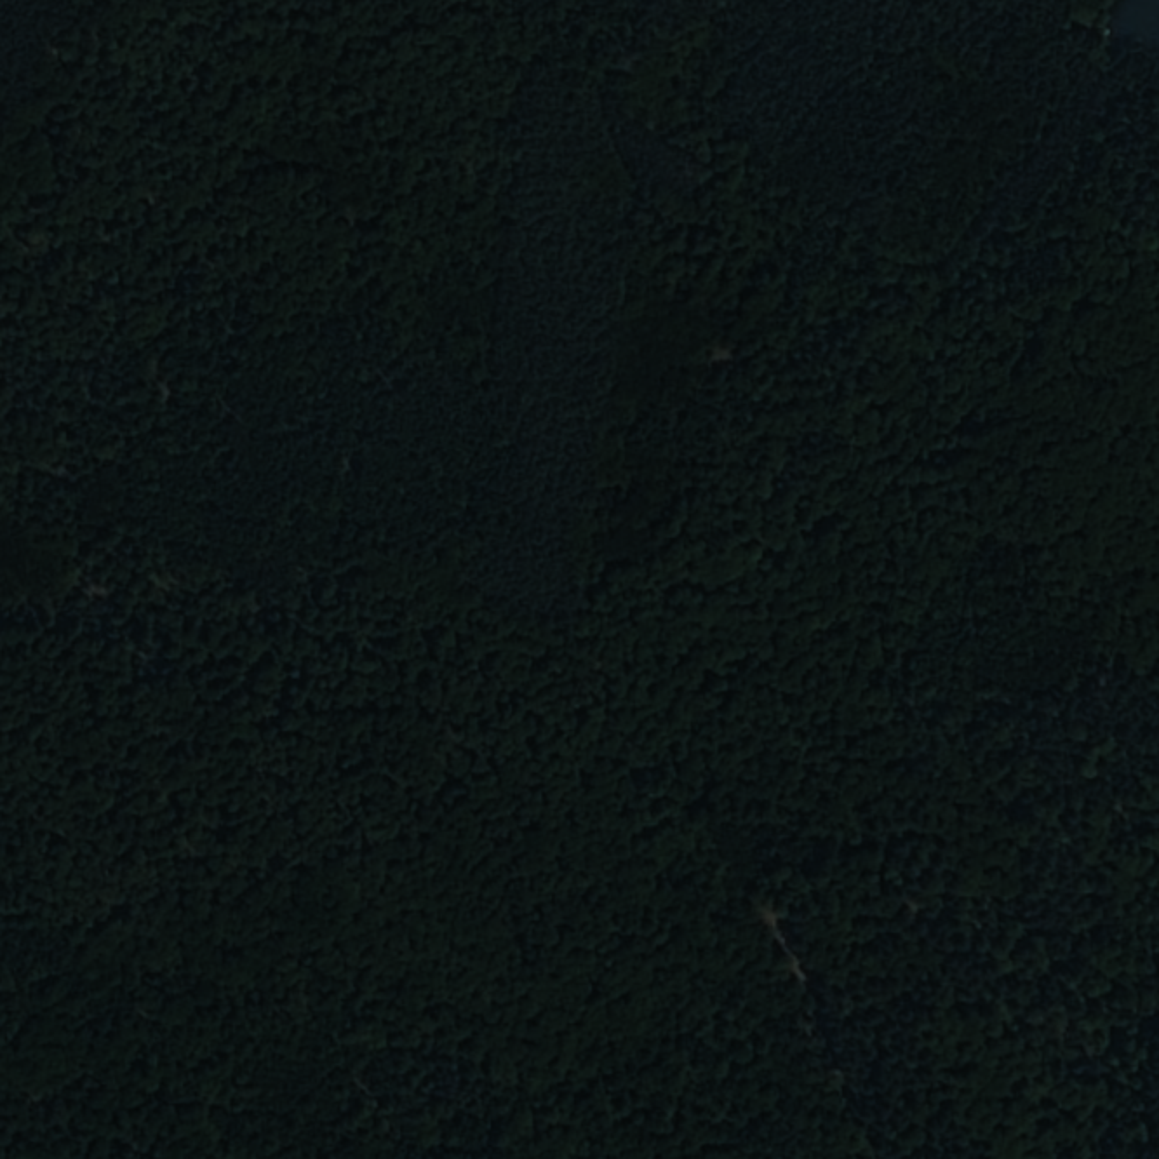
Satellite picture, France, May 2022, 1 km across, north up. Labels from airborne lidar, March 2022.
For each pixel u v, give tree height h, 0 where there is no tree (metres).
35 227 29
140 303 26
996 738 24
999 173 28
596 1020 28
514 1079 21
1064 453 25
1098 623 13
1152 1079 29
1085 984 32
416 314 16
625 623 26
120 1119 26
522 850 25
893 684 24
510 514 22
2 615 16
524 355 18
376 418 22
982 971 45
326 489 25
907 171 25
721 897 16
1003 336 24
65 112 24
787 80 19
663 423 20
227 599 28
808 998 23
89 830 28
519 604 22
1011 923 24
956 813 29
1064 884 43
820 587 28
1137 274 24
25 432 30
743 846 15
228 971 28
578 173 22
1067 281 23
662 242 25
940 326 29
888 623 19
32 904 26
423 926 28
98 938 25
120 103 26
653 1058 10
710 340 12
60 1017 23
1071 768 30
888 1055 42
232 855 27
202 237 27
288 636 23
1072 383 19
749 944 26
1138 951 17
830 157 21
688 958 22
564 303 22
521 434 20
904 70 23
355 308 17
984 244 20
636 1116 23
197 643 28
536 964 26
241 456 19
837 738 25
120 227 28
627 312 15
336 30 27
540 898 26
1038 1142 34
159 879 28
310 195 18
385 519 19
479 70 22
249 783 28
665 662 26
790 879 28
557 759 26
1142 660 19
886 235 12
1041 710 29
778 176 20
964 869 30
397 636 30
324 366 20
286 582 18
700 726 28
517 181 23
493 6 24
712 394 20
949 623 10
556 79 22
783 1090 22
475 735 30
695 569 24
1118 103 25
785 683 18
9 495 21
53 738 27
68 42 26
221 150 19
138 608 11
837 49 25
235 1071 16
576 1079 17
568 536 21
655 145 31
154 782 27
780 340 18
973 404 20
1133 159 27
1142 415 25
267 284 22
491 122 19
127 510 14
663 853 18
